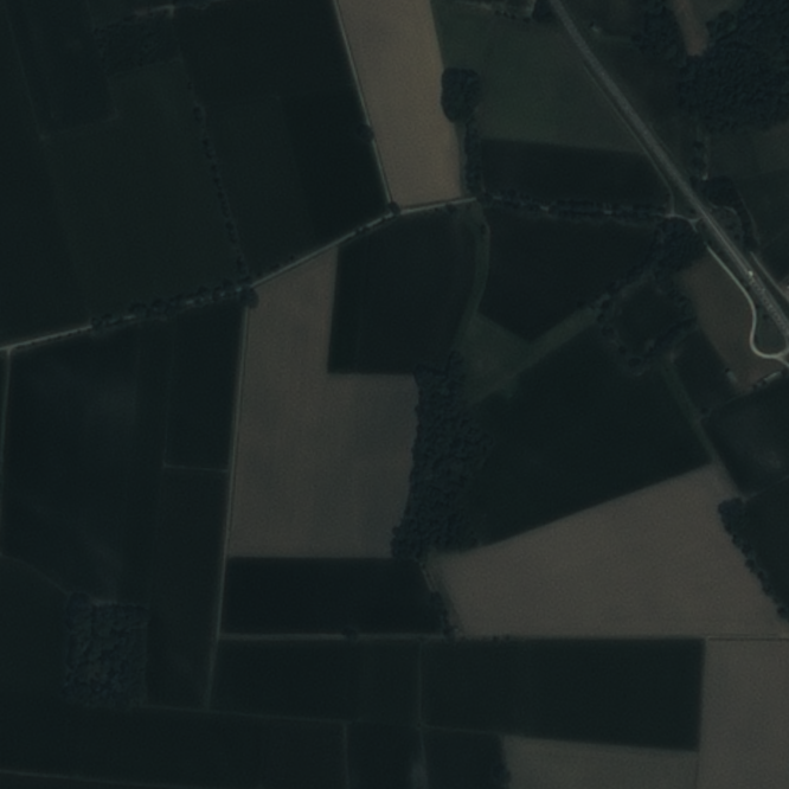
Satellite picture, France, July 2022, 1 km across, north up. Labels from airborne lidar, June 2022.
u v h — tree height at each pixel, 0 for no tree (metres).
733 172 0
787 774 0
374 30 0
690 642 0
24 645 0
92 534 0
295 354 0
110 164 0
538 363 0
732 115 19
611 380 0
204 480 0
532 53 0
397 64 0
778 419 0
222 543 0
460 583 0
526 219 0
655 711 0
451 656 0
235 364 0
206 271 0
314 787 0
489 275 0
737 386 0
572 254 0
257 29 0
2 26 0
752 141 0
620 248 0
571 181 0
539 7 13
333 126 0
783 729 0
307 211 0
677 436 0
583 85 0
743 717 0
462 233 0
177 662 0
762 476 0
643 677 0
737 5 0
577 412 0
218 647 0
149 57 6
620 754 0
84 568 0
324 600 0
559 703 0
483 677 0
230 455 0
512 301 0
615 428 0
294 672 0
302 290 0
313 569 0
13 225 0
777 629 0
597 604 0
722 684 0
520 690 0
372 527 0
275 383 0
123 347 0
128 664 30
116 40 7
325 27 0
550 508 0
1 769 0
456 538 22
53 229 0
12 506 0
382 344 0
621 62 0
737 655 0
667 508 0
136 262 0
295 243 0
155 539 0
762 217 0
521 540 0
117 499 0
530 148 0
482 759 0
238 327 0
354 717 0
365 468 0
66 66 0
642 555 0
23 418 0
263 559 0
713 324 0
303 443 0
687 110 14
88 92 0
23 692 0
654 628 0
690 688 0
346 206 0
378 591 0
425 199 0
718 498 0
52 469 0
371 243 0
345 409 0
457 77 21
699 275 0
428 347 0
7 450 0
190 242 0
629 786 0
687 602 0
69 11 0
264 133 0
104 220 0
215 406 0
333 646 0
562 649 0
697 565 0
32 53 0
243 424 0
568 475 0
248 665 0
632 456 0
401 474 0
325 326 0
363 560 0
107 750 0
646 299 0
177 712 0
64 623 0
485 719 0
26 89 0
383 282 0
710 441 0
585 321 0
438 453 17
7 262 0
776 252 0
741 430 0
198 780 0
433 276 0
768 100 21
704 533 0
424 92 0
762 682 0
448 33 0
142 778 0
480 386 0
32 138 0
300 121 0
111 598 0
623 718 0
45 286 0
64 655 0
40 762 0
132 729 0
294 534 0
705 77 22
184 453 0
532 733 0
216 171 14
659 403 0
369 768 0
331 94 0
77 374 0
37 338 0
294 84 0
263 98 0
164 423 0
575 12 0
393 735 0
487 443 13
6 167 0
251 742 0
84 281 0
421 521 13
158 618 0
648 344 0
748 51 22
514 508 0
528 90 0
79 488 0
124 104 0
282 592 0
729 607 0
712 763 0
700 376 0
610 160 0
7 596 0
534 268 0
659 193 0
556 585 0
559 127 0
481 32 0
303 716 0
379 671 0
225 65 0
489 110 0
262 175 0
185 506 0
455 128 0
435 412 15
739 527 18
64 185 0
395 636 0
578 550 0
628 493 0
